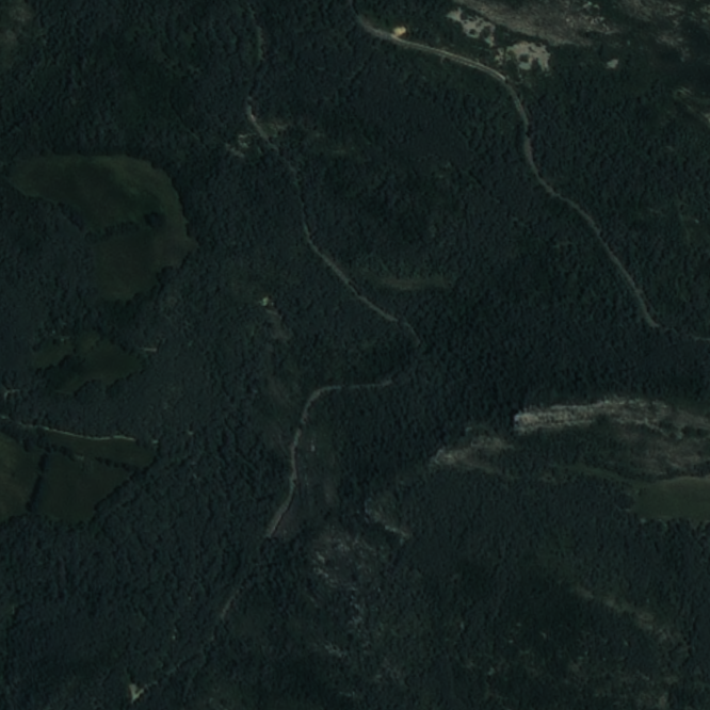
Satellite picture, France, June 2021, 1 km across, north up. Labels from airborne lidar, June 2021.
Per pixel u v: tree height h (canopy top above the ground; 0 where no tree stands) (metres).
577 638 7
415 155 15
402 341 10
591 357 12
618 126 10
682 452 0
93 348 6
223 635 16
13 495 0
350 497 17
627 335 10
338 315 11
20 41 14
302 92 15
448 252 12
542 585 7
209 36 16
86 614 13
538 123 9
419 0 9
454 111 13
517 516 10
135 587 20
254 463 20
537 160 12
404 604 13
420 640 7
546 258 8
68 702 12
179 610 17
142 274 0
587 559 11
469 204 15
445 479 11
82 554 21
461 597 8
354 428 8
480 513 14
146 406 11
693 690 7
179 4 10
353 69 16
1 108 15
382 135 10
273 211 15
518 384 10
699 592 12
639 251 8
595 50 7
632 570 10
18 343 16
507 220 12
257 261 6
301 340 10
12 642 15
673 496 0
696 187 10
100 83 13
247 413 13
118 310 15
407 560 13
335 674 6
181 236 0
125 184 0
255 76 14
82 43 12
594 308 9
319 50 15
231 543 19
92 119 15
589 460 6
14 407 12
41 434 6
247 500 18
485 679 6
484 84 8
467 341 18
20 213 13
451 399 12
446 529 12
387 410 12
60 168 0
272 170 17
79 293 17
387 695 14
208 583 19
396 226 12
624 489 6
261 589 13
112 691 14
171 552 17
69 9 16
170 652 14
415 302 15
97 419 15
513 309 13
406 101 18
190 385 9
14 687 10
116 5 13
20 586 19
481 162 16
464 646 13
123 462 0
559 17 0
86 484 0
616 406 0
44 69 17
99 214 0
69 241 20
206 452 14
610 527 9
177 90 10
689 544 8
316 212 12
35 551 22
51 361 0
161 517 15
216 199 15
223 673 8
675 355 12
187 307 12
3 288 18
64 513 0
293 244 9
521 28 0
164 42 11
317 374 8
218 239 13
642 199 10
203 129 12
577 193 11
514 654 8
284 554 10
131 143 13
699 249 9
